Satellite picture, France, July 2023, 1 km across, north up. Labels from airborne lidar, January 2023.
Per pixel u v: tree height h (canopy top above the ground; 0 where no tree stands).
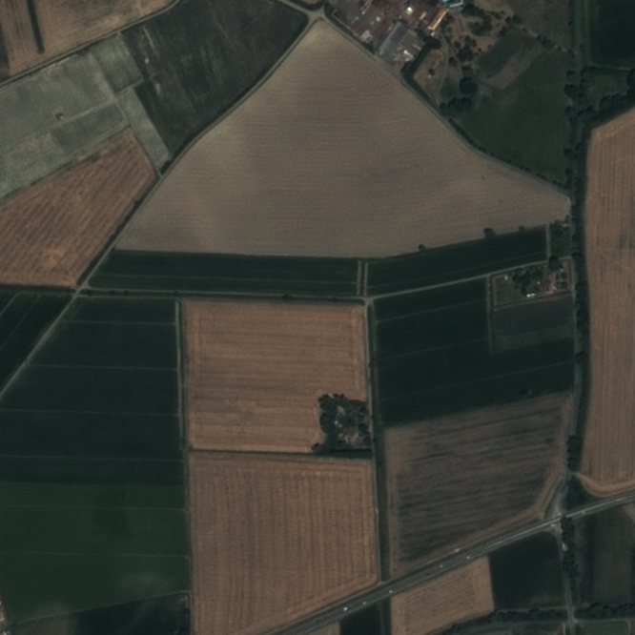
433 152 0
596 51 0
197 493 0
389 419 0
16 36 0
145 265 0
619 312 0
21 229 0
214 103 0
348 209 0
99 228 0
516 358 0
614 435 0
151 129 0
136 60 0
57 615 0
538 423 0
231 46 0
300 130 0
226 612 0
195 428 0
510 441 0
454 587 0
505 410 0
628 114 0
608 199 0
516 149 0
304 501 0
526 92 0
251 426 0
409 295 0
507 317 0
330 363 0
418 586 0
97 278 0
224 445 0
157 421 0
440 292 0
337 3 0
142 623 0
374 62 0
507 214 0
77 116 0
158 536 0
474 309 0
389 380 0
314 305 0
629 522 0
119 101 0
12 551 0
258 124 0
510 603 0
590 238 0
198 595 0
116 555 0
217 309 0
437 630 0
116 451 0
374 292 0
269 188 0
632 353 0
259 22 0
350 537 0
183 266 0
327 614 0
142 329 0
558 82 0
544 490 0
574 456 15
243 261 0
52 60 0
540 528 0
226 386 0
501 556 0
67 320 0
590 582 0
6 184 0
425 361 0
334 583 0
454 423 0
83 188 0
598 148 0
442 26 7
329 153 0
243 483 0
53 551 0
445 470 0
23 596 0
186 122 0
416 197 0
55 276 0
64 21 0
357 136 0
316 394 0
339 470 0
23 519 0
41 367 0
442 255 0
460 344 0
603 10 0
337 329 0
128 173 0
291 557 0
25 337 0
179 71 0
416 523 0
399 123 0
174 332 0
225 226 0
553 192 0
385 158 0
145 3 0
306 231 0
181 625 0
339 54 0
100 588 0
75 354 0
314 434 0
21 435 0
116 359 0
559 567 0
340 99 0
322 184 0
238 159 0
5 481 0
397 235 0
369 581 0
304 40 0
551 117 0
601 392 0
